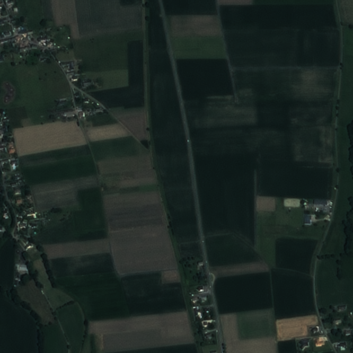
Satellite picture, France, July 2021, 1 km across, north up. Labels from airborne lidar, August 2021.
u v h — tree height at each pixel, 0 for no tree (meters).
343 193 0
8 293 10
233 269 0
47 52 11
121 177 0
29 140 0
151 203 0
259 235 0
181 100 0
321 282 0
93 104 6
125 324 0
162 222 0
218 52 0
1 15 8
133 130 0
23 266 0
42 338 22
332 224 0
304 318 0
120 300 0
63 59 0
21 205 6
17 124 0
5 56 0
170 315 0
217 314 0
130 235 0
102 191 0
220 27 0
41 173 0
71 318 0
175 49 0
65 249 0
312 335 0
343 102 0
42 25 11
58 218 0
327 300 0
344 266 0
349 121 0
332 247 0
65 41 0
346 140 0
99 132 0
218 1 0
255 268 0
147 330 0
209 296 8
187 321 0
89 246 0
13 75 0
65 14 0
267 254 0
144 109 0
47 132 0
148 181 0
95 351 0
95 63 0
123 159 0
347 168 0
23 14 0
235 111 0
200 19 0
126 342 0
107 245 0
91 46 0
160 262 0
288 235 0
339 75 0
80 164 0
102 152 0
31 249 0
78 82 8
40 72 0
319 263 0
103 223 0
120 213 0
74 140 0
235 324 0
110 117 0
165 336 0
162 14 0
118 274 0
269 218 0
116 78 0
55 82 0
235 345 0
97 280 0
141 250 0
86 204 0
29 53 8
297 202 0
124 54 0
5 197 10
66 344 0
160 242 0
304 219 0
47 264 14
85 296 0
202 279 12
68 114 0
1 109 7
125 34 0
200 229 0
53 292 0
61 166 0
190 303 6
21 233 7
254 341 0
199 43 0
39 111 0
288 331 0
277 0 0
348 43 0
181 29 0
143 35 0
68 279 0
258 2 0
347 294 0
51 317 0
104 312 0
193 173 0
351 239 17
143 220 0
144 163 0
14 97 0
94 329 0
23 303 16
